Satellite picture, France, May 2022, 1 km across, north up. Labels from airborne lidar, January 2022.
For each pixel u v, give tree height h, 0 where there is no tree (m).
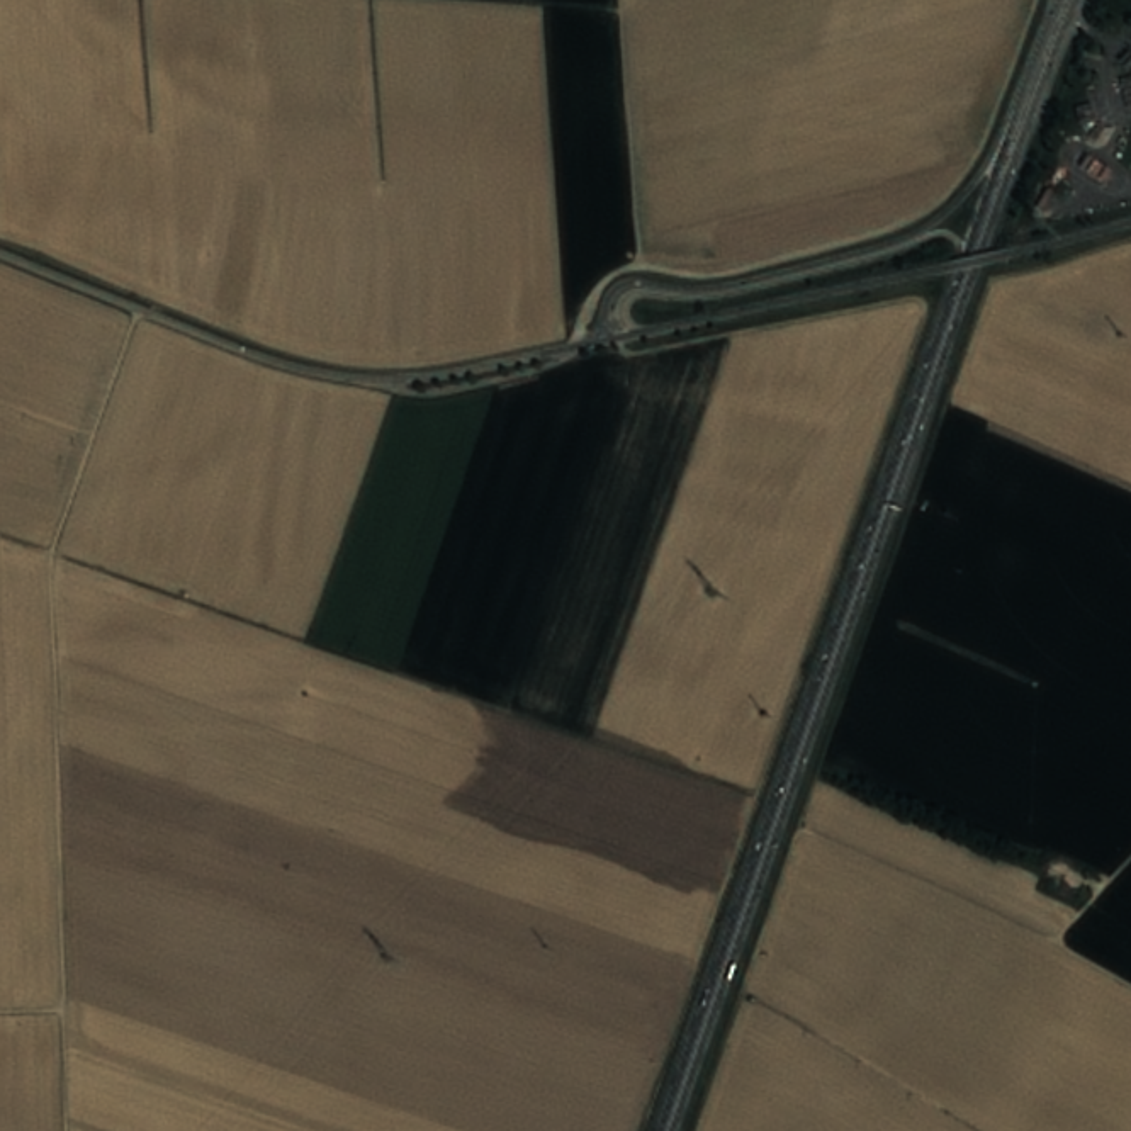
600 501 0
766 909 0
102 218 0
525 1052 0
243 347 0
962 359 0
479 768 0
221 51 0
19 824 0
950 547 0
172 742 0
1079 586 0
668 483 0
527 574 0
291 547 0
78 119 0
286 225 0
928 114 0
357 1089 0
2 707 0
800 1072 0
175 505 0
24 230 0
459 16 0
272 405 0
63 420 0
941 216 0
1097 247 0
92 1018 0
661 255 0
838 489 0
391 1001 0
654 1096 0
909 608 0
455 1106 0
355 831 0
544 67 0
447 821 0
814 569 0
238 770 0
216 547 0
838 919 0
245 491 0
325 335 0
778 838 0
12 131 0
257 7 0
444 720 0
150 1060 0
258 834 0
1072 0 0
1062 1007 0
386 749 0
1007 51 0
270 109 0
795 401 0
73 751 0
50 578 0
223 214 0
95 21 0
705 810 0
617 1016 0
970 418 0
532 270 0
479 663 0
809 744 0
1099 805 0
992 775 0
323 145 0
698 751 0
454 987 0
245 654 0
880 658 0
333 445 0
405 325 0
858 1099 0
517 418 0
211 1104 0
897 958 0
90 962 0
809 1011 0
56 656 0
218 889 0
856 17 0
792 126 0
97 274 0
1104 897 0
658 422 0
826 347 0
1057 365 0
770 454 0
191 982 0
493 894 0
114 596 0
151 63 0
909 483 0
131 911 0
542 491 0
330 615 0
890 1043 0
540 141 0
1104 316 0
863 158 0
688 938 0
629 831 0
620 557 0
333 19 0
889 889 0
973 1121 0
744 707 0
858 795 13
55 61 0
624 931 0
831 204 0
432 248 0
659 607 0
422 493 0
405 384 0
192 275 0
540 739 0
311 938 0
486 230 0
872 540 0
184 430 0
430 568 0
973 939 0
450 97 0
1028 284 0
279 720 0
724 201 0
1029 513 0
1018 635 0
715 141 0
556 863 0
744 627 0
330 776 0
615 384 0
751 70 0
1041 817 0
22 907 0
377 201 0
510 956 0
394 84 0
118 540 0
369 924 0
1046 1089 0
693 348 0
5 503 0
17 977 0
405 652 0
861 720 0
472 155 0
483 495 0
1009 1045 0
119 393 0
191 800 0
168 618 0
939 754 0
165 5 0
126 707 0
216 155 0
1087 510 0
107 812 0
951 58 0
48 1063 0
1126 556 0
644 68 0
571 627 0
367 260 0
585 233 0
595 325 0
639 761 0
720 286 0
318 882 0
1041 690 0
